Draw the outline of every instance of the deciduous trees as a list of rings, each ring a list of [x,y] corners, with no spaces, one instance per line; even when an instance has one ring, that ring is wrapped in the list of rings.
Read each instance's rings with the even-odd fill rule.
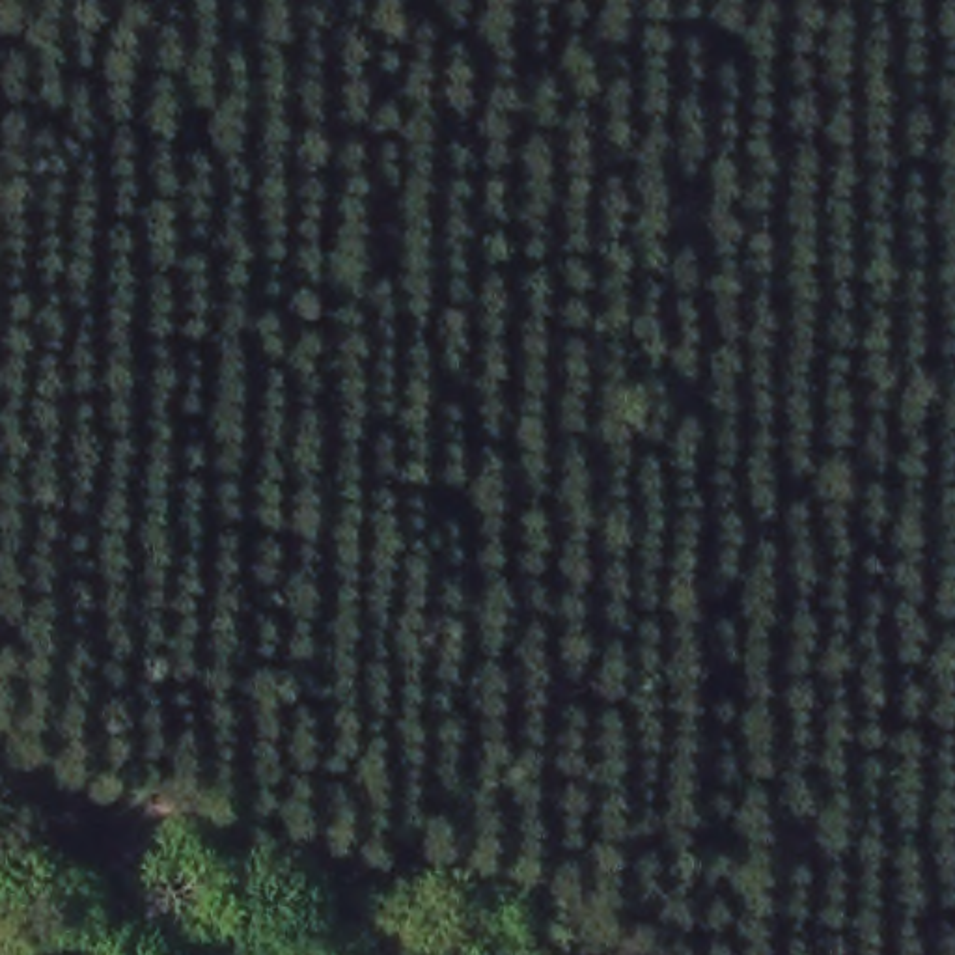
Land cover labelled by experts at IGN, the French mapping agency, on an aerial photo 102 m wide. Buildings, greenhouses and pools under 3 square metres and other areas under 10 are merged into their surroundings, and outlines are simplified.
[[[533,884],[515,877],[515,862],[504,854],[496,854],[492,873],[481,873],[478,858],[455,869],[455,862],[448,858],[425,854],[425,869],[418,877],[369,899],[369,910],[377,918],[354,929],[336,951],[328,951],[325,892],[295,869],[295,862],[276,854],[269,832],[254,836],[250,884],[246,895],[235,899],[228,862],[201,843],[201,836],[187,821],[164,821],[142,865],[149,899],[145,918],[138,925],[108,929],[104,892],[97,877],[78,865],[48,862],[41,847],[30,839],[34,810],[0,798],[0,955],[541,955],[530,936],[526,910]]]
[[[429,645],[444,653],[444,642],[463,645],[463,608],[448,604],[444,619],[422,616],[422,649]]]
[[[627,384],[623,392],[616,392],[608,407],[623,414],[630,429],[638,429],[645,418],[645,399],[634,384]]]

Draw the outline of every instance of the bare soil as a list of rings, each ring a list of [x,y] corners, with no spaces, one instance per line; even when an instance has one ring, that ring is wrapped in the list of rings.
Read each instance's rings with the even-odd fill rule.
[[[0,739],[0,798],[34,810],[30,839],[41,847],[48,862],[78,865],[97,877],[104,892],[108,929],[138,925],[145,918],[149,899],[142,865],[164,821],[149,813],[142,802],[97,802],[86,791],[63,787],[52,772],[37,765],[26,768],[11,761],[7,742]]]

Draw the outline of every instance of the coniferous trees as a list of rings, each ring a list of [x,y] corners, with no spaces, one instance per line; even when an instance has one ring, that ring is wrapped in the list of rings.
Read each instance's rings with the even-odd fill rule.
[[[623,414],[608,407],[616,392],[623,392],[627,384],[634,384],[645,399],[645,418],[638,429],[630,429]],[[444,653],[429,645],[422,649],[422,616],[444,619],[448,604],[463,608],[463,645],[444,642]],[[0,0],[0,739],[7,742],[11,761],[26,768],[37,765],[52,772],[63,787],[86,791],[97,802],[142,802],[149,813],[164,821],[187,821],[201,836],[201,843],[228,862],[235,899],[246,895],[250,884],[254,836],[269,832],[276,854],[295,862],[295,869],[325,892],[328,951],[336,951],[354,929],[377,918],[369,910],[369,899],[418,877],[425,869],[425,854],[448,858],[455,862],[455,869],[478,858],[481,873],[492,873],[496,854],[504,854],[515,862],[515,877],[533,884],[526,910],[530,936],[541,955],[955,955],[955,0]]]

